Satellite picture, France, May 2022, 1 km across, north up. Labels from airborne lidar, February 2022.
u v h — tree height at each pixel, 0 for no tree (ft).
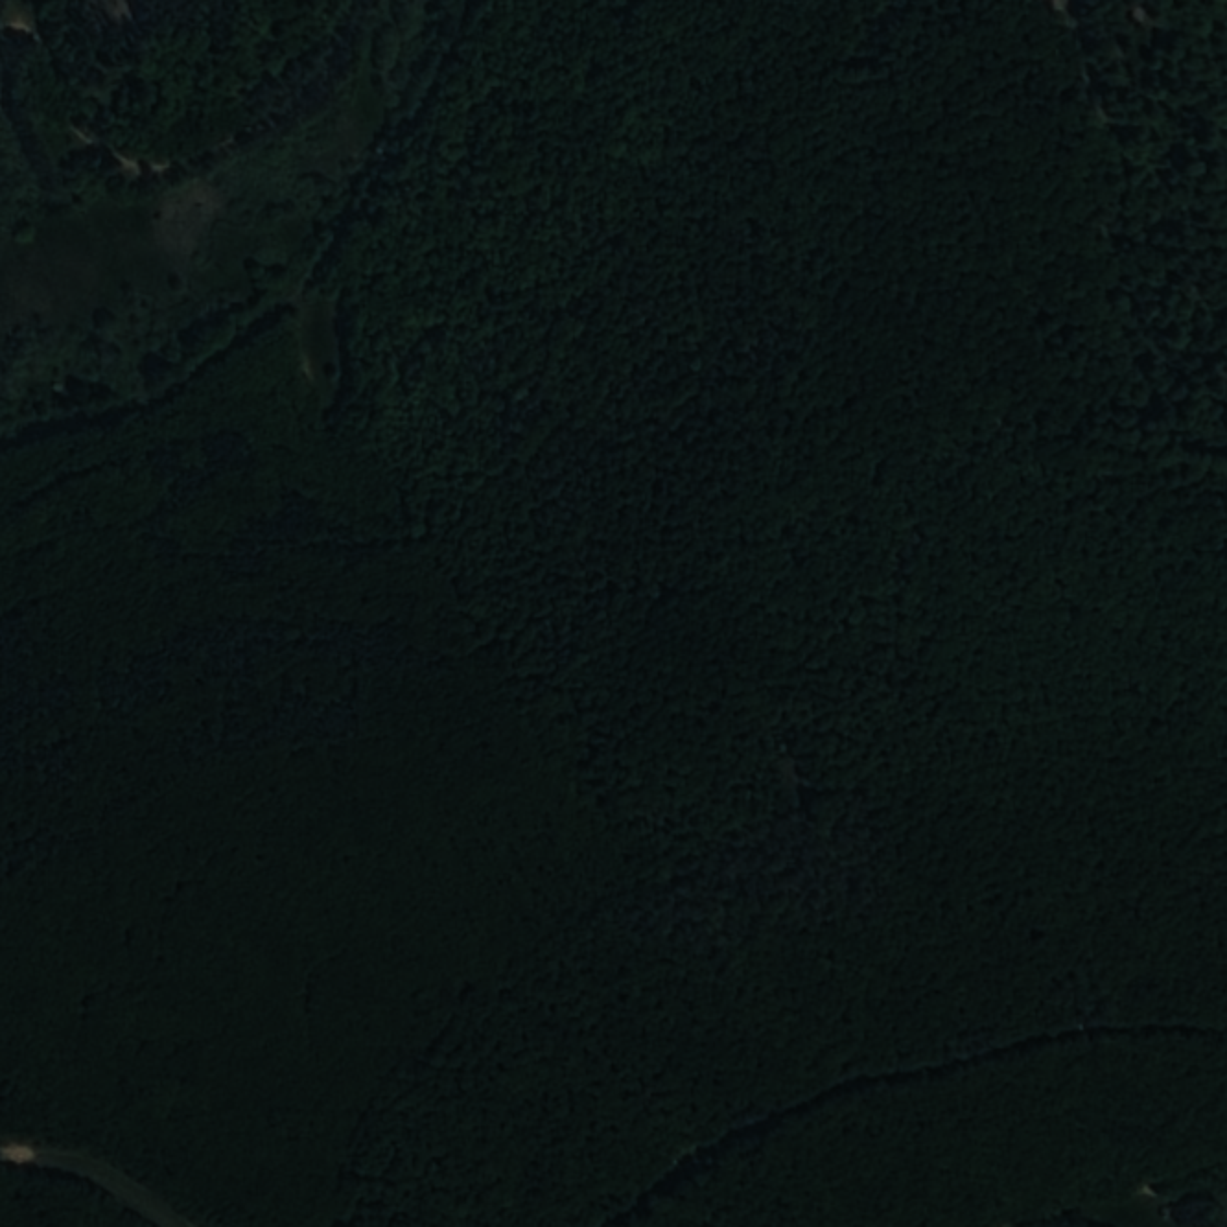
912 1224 64
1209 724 70
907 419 92
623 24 84
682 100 81
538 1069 82
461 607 79
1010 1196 75
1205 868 72
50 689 76
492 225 91
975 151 104
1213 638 73
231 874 46
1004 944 72
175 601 71
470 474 101
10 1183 55
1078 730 77
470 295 90
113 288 0
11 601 52
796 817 88
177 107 72
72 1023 34
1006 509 74
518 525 102
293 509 79
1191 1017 71
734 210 94
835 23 78
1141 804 85
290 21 97
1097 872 74
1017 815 80
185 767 66
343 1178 44
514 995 71
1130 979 76
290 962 33
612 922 79
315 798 49
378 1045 30
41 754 59
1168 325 113
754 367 93
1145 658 73
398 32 54
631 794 87
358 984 35
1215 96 125
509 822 46
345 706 79
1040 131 96
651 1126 89
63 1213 69
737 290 99
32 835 71
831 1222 82
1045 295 109
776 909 65
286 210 52
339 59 108
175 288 52
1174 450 121
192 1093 43
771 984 75
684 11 83
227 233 0
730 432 87
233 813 49
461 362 88
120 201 55
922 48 94
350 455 56
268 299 41
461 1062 76
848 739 68
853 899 83
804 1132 86
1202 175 122
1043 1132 76
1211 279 98
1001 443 75
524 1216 93
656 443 101
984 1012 81
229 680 61
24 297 0
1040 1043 80
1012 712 64
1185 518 92
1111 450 94
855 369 97
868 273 104
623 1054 88
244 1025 41
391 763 36
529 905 44
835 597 84
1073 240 105
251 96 101
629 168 80
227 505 69
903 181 101
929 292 91
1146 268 103
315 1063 34
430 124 81
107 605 64
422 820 45
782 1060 89
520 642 89
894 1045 80
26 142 85
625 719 82
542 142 88
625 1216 98
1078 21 69
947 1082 88
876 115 88
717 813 86
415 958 38
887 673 87
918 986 80
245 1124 39
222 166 65
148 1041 29
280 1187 45
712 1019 67
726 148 91
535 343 97
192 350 71
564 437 84
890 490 86
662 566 96
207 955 38
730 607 84
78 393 58
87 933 35
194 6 98
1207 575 77
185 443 75
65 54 82
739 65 94
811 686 89
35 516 63
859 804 80
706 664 88
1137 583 83
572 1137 91
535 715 63
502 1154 93
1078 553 88
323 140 24
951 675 81
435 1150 82
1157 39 24
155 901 34
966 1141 76
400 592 63
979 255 98
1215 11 108
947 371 94
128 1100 43
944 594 86
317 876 42
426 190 92
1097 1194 65
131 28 20
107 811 71
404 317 89
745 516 81
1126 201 105
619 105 94
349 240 83
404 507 73
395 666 80
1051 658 68
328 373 37
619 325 87
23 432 0
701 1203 91
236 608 69
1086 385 105
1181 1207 87
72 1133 51
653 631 100
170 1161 57
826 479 88
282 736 65
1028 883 73
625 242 80
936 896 69
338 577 75
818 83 73
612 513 104
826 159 78
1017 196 104
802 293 96
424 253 83
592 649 86
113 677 79
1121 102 117
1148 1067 69
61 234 0
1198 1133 64
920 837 75
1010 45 96
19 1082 52
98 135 66
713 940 72
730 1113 100
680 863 68
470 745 43
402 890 46
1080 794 82
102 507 64
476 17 65
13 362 51
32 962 39
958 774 76
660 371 99
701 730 90
